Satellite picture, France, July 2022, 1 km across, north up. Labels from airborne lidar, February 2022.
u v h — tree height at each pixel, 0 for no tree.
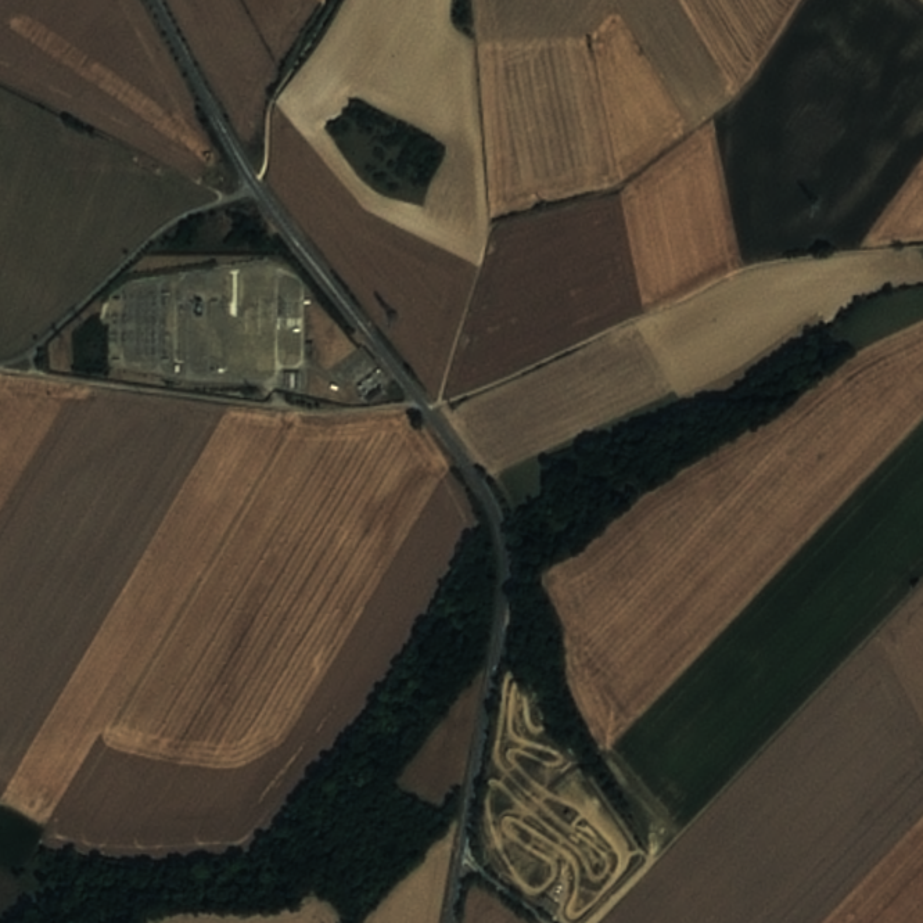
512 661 15
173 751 0
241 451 0
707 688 0
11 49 0
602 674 0
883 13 0
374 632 0
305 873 16
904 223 0
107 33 0
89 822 0
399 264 0
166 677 0
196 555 0
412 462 0
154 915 19
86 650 0
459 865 0
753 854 0
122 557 0
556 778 0
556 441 0
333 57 0
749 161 0
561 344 0
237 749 0
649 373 0
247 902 18
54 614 0
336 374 0
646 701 0
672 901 0
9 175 0
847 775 0
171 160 0
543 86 0
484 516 8
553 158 0
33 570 0
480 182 0
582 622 0
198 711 0
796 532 0
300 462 0
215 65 0
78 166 0
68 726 0
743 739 0
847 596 0
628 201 0
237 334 0
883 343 0
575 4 0
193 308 0
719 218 0
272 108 0
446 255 0
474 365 0
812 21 0
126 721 0
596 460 21
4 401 0
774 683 0
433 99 0
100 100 0
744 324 0
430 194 0
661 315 0
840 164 0
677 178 0
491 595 10
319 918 0
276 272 0
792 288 0
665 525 0
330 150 0
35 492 0
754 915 0
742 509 0
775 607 0
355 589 0
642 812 0
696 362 0
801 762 0
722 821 0
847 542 0
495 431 0
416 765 0
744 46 0
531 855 0
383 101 0
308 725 0
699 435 22
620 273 0
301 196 0
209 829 0
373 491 0
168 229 0
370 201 0
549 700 11
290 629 0
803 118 0
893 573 0
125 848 0
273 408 0
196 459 0
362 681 0
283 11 0
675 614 0
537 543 18
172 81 0
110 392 0
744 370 0
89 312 0
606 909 0
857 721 0
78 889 17
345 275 0
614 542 0
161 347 0
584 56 0
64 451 0
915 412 0
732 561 0
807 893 0
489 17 0
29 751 0
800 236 0
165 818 0
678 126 0
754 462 0
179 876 9
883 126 0
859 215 0
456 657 19
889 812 0
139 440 0
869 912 0
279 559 0
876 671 0
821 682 0
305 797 10
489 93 0
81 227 0
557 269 0
